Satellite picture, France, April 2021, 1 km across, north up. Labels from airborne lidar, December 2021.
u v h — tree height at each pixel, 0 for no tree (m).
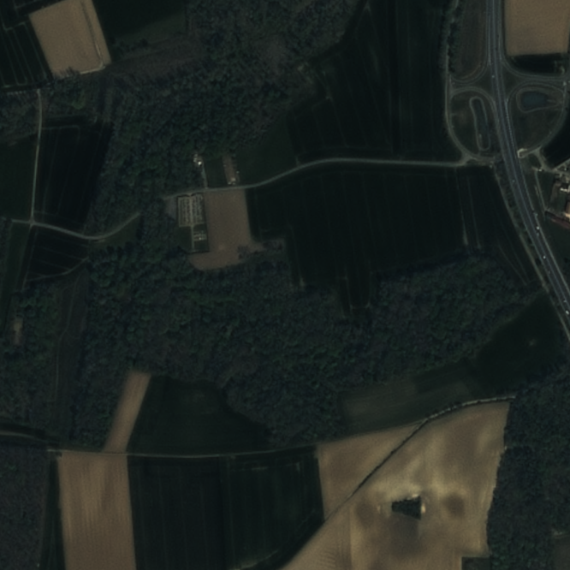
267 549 0
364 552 0
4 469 22
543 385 20
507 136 0
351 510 0
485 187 0
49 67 0
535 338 0
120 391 10
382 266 0
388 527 0
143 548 0
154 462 0
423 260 0
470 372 0
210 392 0
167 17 0
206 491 0
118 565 0
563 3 0
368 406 0
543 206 0
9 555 20
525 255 0
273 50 0
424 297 18
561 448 19
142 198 21
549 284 18
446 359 14
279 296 28
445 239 0
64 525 0
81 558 0
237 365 34
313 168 0
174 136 15
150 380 0
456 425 0
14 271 0
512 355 0
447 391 0
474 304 21
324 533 0
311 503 0
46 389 20
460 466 0
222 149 23
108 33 0
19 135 26
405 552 0
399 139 0
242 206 0
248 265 0
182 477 0
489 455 0
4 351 9
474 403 0
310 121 0
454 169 0
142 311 16
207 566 0
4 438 0
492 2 0
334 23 26
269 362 31
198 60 0
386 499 0
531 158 0
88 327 7
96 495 0
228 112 26
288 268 15
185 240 0
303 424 23
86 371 22
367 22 0
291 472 0
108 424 17
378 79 0
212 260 0
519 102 0
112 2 0
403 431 0
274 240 0
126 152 7
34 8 0
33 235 0
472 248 0
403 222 0
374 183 0
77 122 0
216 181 0
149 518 0
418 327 28
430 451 0
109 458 0
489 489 0
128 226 0
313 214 0
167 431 0
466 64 0
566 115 0
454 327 22
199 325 23
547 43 0
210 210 0
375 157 0
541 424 19
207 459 0
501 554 20
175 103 22
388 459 0
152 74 0
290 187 0
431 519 0
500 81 0
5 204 0
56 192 0
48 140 0
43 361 23
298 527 0
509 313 18
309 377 16
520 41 0
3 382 20
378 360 20
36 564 19
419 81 0
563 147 0
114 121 21
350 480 0
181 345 22
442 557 0
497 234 0
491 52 0
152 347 24
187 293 18
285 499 0
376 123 0
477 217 0
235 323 25
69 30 0
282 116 0
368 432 0
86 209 0
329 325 27
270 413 28
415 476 0
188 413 0
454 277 22
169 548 0
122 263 17
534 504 21
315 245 0
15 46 0
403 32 0
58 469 0
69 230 0
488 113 0
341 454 0
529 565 20
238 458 0
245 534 0
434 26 0
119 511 0
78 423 21
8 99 9
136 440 0
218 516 0
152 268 13
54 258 0
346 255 0
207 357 17
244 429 0
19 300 9
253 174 0
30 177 0
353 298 0
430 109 0
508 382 0
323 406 20
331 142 0
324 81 0
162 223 13
